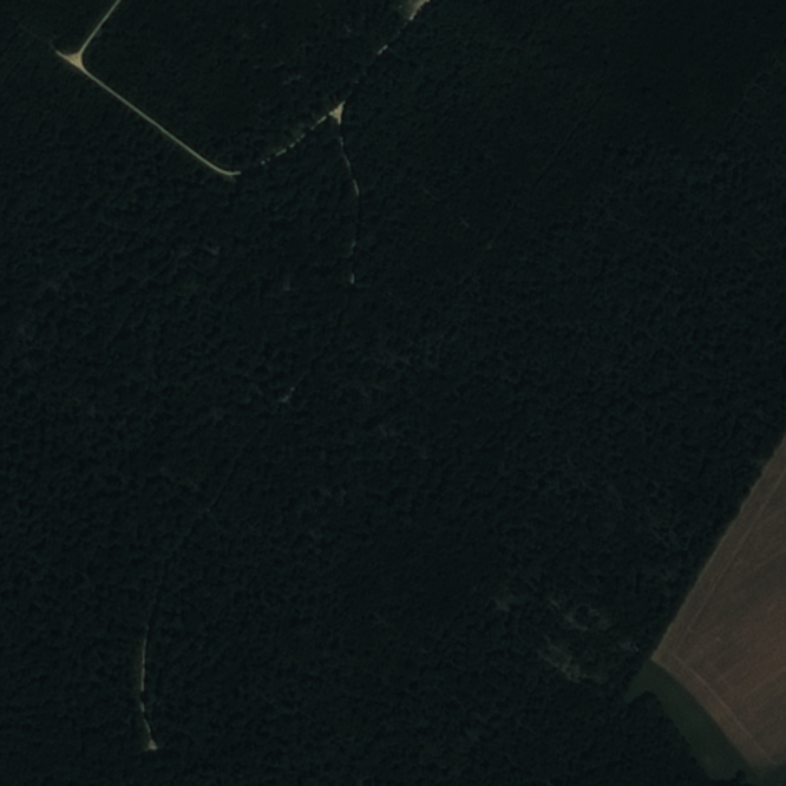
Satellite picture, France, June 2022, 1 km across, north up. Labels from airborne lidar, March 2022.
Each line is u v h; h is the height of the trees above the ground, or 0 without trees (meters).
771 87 5
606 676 0
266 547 7
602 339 19
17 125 12
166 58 9
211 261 22
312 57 8
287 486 18
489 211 8
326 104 20
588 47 14
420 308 10
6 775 23
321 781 18
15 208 20
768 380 18
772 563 0
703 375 21
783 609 0
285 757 16
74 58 0
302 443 19
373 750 19
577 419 21
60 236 14
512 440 22
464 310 18
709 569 0
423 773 11
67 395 12
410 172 15
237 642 7
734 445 20
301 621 23
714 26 12
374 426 19
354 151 18
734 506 18
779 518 0
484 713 20
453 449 21
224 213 23
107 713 13
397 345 14
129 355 21
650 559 17
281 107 19
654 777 20
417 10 0
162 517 21
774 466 0
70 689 22
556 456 20
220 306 18
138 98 10
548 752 9
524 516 21
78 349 24
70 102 8
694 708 0
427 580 12
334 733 21
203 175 19
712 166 18
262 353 15
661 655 0
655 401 19
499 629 20
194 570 18
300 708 15
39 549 10
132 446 7
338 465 13
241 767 19
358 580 7
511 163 10
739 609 0
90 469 18
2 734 19
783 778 0
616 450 21
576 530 19
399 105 14
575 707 6
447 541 5
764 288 19
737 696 0
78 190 7
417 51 17
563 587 17
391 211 21
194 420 16
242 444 16
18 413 11
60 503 8
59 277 19
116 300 19
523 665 19
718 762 0
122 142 11
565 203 7
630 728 17
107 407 20
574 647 6
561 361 17
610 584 6
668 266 17
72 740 21
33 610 22
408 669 19
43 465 23
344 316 11
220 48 10
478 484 15
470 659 20
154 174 25
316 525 24
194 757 8
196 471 18
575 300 18
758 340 23
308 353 23
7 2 7
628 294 21
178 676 20
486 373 16
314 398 18
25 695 20
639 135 9
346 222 28
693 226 13
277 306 22
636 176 15
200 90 7
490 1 17
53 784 21
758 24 10
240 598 14
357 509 7
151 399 21
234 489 18
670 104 15
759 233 22
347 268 18
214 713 8
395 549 8
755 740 0
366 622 8
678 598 17
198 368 19
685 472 16
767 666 0
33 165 21
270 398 23
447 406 18
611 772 22
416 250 9
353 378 14
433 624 10
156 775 22
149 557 14
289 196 10
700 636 0
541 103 7
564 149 8
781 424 14
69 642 13
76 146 18
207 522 16
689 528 17
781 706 0
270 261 20
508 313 6
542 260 19
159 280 12
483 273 12
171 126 8
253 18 7
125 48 9
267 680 21
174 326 21
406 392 19
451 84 13
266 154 21
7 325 20
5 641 18
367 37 19
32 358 25
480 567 8
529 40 20
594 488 18
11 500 19
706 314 20
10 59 7
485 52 16
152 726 13
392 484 21
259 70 8
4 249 11
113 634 19
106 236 12
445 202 9
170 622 20
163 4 9
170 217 22
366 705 7
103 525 21
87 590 22
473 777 16
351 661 6
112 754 23
